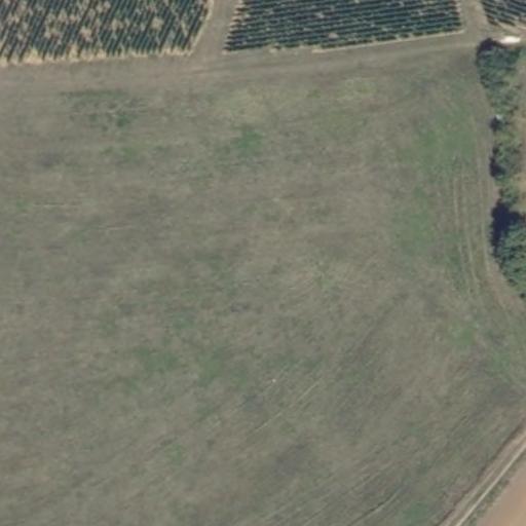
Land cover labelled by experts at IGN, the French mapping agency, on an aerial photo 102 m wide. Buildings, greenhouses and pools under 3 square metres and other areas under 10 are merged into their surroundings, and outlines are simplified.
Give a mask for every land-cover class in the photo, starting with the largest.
<instances>
[{"label":"agricultural land","instance_id":"1","mask_svg":"<svg viewBox=\"0 0 526 526\"><path fill-rule=\"evenodd\" d=\"M224 49H220L216 55H208V47L199 43L197 49L187 58H160L156 53V58L125 62L101 60L55 66L27 64L25 68H0V526H442L452 516L454 508L477 487V483L487 473L489 464H493L499 458L505 446L516 436H522L526 440V292L514 294L508 290L503 271L493 259L491 247V214L499 199V189H495L497 179L491 177L489 160L493 150V136L497 134L491 129V121L497 119V115L493 113L491 99L487 97V90L479 80V72L475 66L477 49H446L431 51L429 55L421 53L411 58H399L390 66L358 64L353 68L312 72L310 82L314 84V88L308 90V99L314 101L318 109L310 115L294 117H281L279 113L265 115V107L261 105V101L245 88L238 90V95L230 101H218V92L210 90L214 82L222 80V70L228 68L224 60H218V55Z\"/></svg>","mask_w":526,"mask_h":526},{"label":"vineyard","instance_id":"2","mask_svg":"<svg viewBox=\"0 0 526 526\"><path fill-rule=\"evenodd\" d=\"M208 0H0V68H25L27 64L55 66L101 60L125 62L156 58V53L154 49H183L191 43V39L201 27V18L205 16ZM460 27L454 0H245L242 8L238 10L236 29L228 39L230 51L259 49L267 45L343 47L368 41H388L407 35L454 31ZM489 25L522 23L526 27V0H481Z\"/></svg>","mask_w":526,"mask_h":526},{"label":"herbaceous vegetation","instance_id":"3","mask_svg":"<svg viewBox=\"0 0 526 526\"><path fill-rule=\"evenodd\" d=\"M245 0H208L205 16L201 18V27L191 39V43L183 49H154L156 53L160 58H187L197 49L199 43L208 47V55H216L220 49H224L218 55V60H224L228 68L222 70V80L214 82L210 90L218 92V101H230L238 95V90L245 88L261 101V105L265 107V115L279 113L281 117H294L310 115L318 109L314 101L308 99V90L314 88V84L310 82L312 72L353 68L358 64L390 66L399 58H411L421 53L429 55L431 51L446 49H477L485 39L508 45L526 41V27L522 23L489 25L481 0H454L460 27L454 31L407 35L388 41H368L343 47L267 45L259 49L230 51L228 39L236 29L238 10L242 8Z\"/></svg>","mask_w":526,"mask_h":526},{"label":"brushwood","instance_id":"4","mask_svg":"<svg viewBox=\"0 0 526 526\"><path fill-rule=\"evenodd\" d=\"M475 66L479 72V80L487 90V97L491 99L493 113L497 115V119L491 121V129L497 134L493 136V150L489 160L491 177L497 179L495 189H499V199L491 214V247L503 242L505 234L514 228L512 216L516 212H526V41L508 45L485 39L477 49Z\"/></svg>","mask_w":526,"mask_h":526},{"label":"pervious surface","instance_id":"5","mask_svg":"<svg viewBox=\"0 0 526 526\"><path fill-rule=\"evenodd\" d=\"M522 471L526 473V440L522 436H516L505 446L499 458L493 464H489L487 473L477 483V487L454 508L452 516L442 526H479L497 505L495 499L512 487L510 481L514 479V475H520Z\"/></svg>","mask_w":526,"mask_h":526},{"label":"deciduous trees","instance_id":"6","mask_svg":"<svg viewBox=\"0 0 526 526\"><path fill-rule=\"evenodd\" d=\"M514 228L505 234L503 242L491 247L493 259L503 271L508 290L514 294L526 292V212H516L512 216Z\"/></svg>","mask_w":526,"mask_h":526},{"label":"plowed land","instance_id":"7","mask_svg":"<svg viewBox=\"0 0 526 526\"><path fill-rule=\"evenodd\" d=\"M512 487L495 499L497 505L479 526H526V473L522 471L520 475H514V479L510 481Z\"/></svg>","mask_w":526,"mask_h":526}]
</instances>
